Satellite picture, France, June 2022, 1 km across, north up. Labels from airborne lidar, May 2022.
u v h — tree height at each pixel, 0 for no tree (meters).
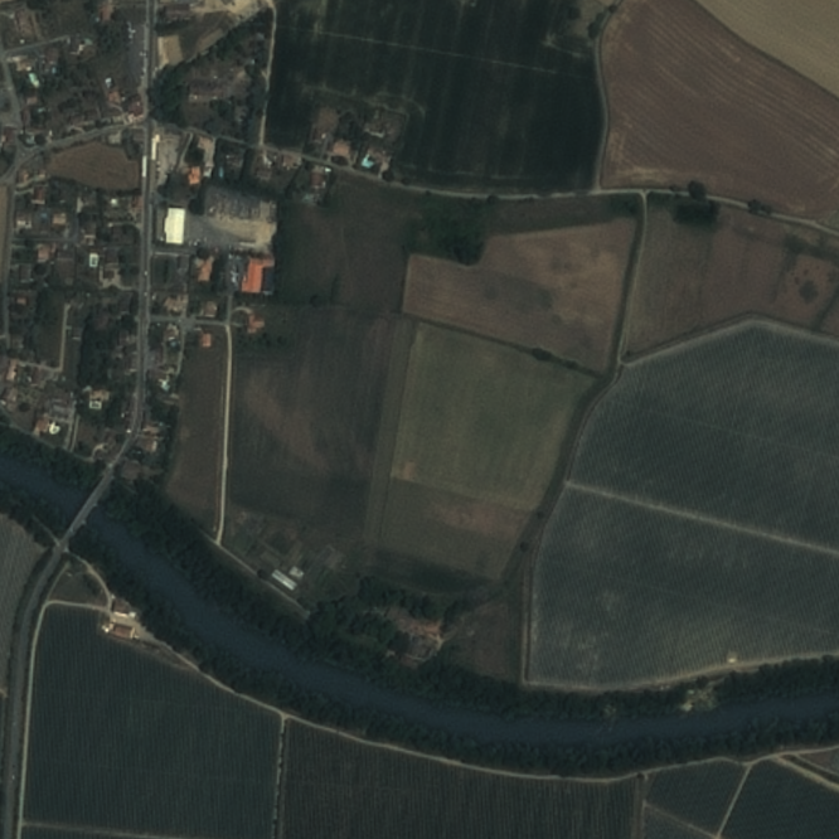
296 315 0
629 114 0
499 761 7
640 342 0
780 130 0
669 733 0
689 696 0
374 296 0
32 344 9
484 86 0
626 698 17
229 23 0
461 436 0
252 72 14
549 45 0
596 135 0
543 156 0
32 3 10
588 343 0
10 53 0
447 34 0
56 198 7
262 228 0
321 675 0
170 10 0
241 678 19
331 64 0
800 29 0
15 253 7
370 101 0
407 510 0
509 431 0
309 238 0
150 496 16
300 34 0
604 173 0
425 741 12
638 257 0
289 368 0
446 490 0
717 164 0
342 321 0
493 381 0
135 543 0
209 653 12
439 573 0
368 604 18
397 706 0
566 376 0
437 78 0
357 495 0
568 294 0
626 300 0
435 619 29
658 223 0
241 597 25
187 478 0
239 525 0
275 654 0
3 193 0
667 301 0
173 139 0
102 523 0
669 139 0
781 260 0
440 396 0
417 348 0
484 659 0
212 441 0
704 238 0
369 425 0
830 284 0
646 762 26
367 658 7
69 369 0
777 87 0
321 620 25
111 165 0
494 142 0
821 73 0
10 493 11
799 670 16
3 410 0
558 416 0
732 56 0
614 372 0
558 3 0
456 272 0
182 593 0
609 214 0
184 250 0
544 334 0
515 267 0
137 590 32
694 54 0
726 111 0
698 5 0
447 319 0
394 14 0
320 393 0
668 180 0
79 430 0
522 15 0
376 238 0
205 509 0
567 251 0
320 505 0
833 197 0
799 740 15
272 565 0
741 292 0
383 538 0
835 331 0
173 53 0
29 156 0
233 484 0
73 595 0
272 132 0
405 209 0
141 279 0
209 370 0
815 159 0
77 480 13
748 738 24
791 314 0
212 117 7
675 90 0
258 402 0
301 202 0
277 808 9
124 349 10
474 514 0
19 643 0
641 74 0
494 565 0
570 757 21
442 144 0
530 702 12
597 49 0
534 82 0
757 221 0
